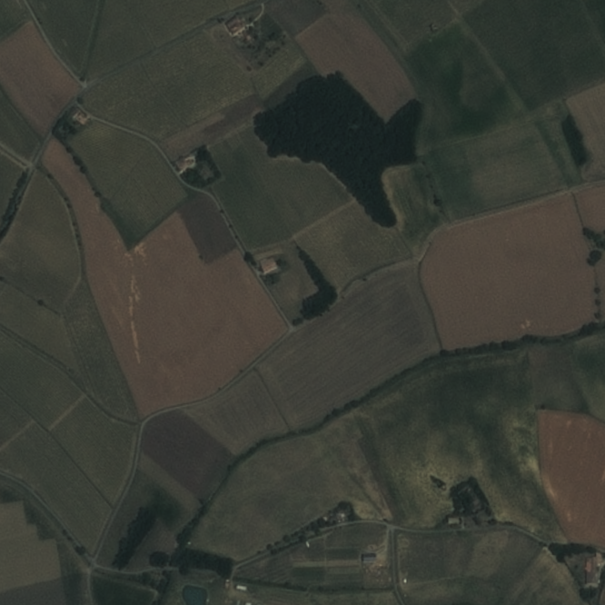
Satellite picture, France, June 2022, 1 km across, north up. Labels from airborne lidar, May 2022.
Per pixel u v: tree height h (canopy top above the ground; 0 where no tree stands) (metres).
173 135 0
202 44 0
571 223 0
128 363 0
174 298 0
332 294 19
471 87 0
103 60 0
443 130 0
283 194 0
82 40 0
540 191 0
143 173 0
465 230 0
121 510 0
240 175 0
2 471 0
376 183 19
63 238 0
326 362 0
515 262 0
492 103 0
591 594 8
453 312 0
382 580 0
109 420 0
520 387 0
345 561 0
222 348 0
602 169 0
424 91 0
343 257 0
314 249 0
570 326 0
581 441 0
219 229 0
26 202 0
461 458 0
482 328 0
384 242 0
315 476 0
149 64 0
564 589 0
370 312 0
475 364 0
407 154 17
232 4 0
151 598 0
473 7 0
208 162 8
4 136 0
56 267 0
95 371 0
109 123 0
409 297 0
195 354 0
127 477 0
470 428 0
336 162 20
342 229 0
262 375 0
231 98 0
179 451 0
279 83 0
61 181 0
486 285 0
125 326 0
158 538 0
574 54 0
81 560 0
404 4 0
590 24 0
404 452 0
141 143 0
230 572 10
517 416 0
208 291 0
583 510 0
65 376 0
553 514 0
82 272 0
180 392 0
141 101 0
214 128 0
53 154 0
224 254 0
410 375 0
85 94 0
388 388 0
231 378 0
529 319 0
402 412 0
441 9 0
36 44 0
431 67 0
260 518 0
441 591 0
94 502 0
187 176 11
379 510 0
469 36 0
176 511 0
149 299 0
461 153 0
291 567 0
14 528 0
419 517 0
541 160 0
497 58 0
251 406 0
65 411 0
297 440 0
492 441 0
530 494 0
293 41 0
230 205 0
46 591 0
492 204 0
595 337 0
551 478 0
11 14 0
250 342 0
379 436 0
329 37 0
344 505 11
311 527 10
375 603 0
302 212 0
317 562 0
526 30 0
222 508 0
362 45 0
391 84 0
